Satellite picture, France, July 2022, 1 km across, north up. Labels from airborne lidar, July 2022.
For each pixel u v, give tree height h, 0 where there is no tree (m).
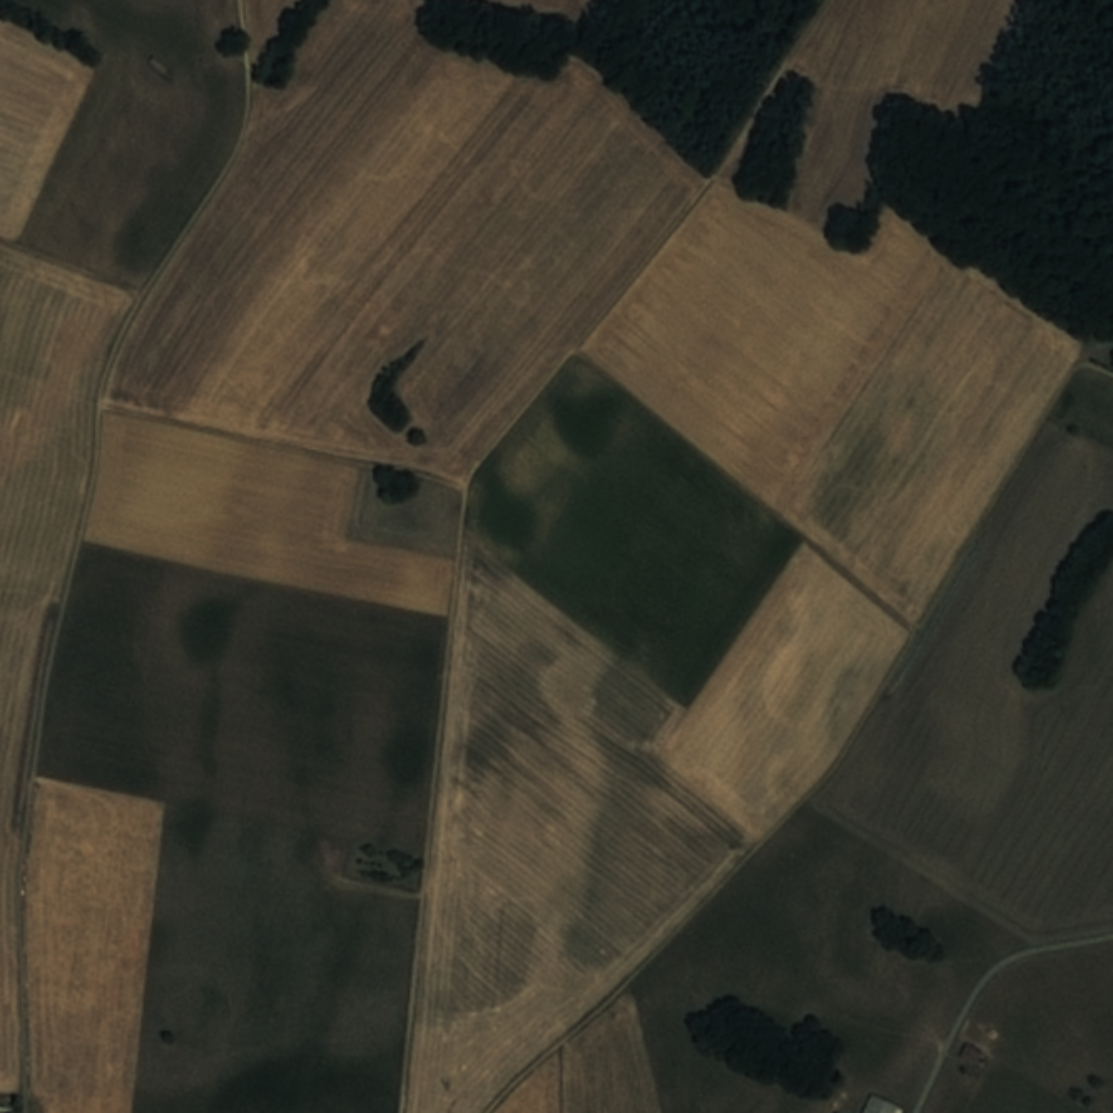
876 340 0
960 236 27
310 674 0
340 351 0
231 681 0
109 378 0
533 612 0
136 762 0
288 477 0
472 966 0
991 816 0
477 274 0
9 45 0
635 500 0
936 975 0
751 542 0
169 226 0
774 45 26
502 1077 0
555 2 0
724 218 0
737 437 0
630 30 24
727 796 0
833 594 0
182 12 0
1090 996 0
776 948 0
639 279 0
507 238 0
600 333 0
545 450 0
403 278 0
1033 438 0
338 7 0
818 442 0
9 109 0
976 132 22
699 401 0
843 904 0
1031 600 0
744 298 0
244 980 0
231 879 0
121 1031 0
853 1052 0
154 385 0
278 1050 0
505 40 19
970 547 0
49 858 0
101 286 0
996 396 0
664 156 0
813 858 0
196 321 0
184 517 0
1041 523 0
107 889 0
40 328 0
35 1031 0
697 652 0
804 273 0
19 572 0
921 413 0
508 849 0
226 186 0
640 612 0
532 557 0
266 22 0
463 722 0
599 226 0
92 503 0
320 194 0
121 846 0
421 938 0
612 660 0
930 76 0
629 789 0
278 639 0
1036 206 28
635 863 0
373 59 0
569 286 0
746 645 0
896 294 0
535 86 0
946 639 0
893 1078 0
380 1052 0
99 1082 0
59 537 0
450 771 0
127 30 0
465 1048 0
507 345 0
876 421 0
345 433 0
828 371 0
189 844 0
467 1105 0
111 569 0
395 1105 0
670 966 0
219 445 0
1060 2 19
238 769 0
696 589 0
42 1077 0
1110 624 0
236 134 0
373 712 0
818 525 0
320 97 0
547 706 0
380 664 0
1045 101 23
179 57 0
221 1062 0
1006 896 0
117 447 0
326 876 0
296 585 0
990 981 0
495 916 0
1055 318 20
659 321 0
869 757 0
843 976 0
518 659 0
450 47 17
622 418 0
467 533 0
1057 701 0
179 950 0
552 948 0
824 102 0
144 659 0
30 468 0
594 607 0
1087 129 27
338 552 0
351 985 0
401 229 0
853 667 0
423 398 0
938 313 0
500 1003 0
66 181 0
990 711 0
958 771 0
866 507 0
